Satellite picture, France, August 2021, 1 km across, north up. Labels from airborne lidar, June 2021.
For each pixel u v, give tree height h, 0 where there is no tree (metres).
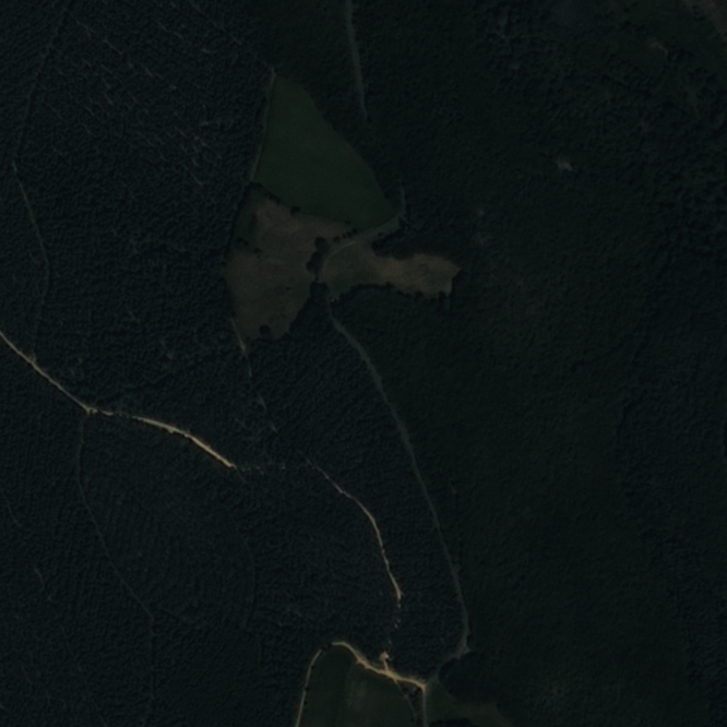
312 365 17
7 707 15
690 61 15
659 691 20
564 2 0
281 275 0
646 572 18
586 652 16
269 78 8
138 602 10
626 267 17
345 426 13
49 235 19
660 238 18
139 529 11
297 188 0
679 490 21
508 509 18
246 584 10
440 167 14
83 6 15
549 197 11
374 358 15
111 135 23
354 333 17
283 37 16
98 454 11
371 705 0
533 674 12
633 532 21
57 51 10
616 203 16
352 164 0
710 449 17
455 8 18
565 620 19
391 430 17
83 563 21
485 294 15
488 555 13
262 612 16
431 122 17
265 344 14
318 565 19
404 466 12
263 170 0
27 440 17
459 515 15
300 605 18
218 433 13
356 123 14
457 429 15
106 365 20
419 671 8
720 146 19
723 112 17
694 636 13
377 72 19
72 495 18
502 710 17
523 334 13
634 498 26
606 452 19
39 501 18
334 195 0
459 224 15
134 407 11
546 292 17
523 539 20
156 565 10
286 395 13
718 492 22
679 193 16
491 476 13
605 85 19
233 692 20
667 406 14
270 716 19
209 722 20
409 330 13
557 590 17
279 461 18
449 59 18
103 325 15
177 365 11
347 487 12
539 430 19
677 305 21
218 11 22
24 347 15
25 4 15
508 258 9
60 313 15
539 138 20
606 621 22
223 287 15
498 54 15
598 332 17
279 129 0
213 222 27
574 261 17
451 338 20
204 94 16
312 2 13
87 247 15
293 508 18
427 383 12
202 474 14
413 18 14
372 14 14
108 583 14
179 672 15
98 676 15
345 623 17
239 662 21
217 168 16
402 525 15
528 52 14
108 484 12
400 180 11
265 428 13
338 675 0
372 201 0
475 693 26
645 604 20
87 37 16
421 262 0
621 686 16
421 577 13
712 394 19
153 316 18
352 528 18
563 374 19
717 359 12
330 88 20
